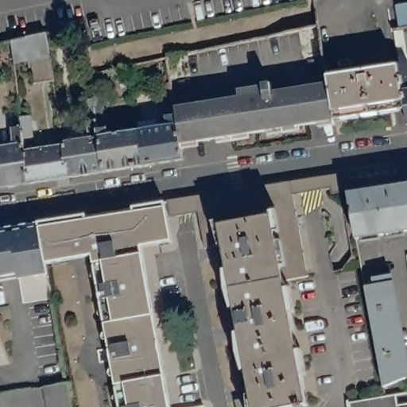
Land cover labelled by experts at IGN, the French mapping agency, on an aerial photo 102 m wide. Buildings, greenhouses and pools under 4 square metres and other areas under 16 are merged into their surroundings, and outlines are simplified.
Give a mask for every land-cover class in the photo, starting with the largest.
<instances>
[{"label":"impervious surface","instance_id":"1","mask_svg":"<svg viewBox=\"0 0 407 407\"><path fill-rule=\"evenodd\" d=\"M297 0H0V41L11 40L40 32L48 33V37L56 35L72 24L81 32L87 30L91 43H100L107 38L124 37L126 32L137 35L151 32L153 29H161L162 24H165V27H172L191 22V29L197 27V22L203 17H213L215 14L223 16V13L243 11V8L251 10L253 6L270 3L280 5ZM307 2L312 3L310 8L315 10L313 24L299 29L270 33L264 37L232 41L221 46L169 52L165 56L167 75L169 78L173 79L170 91L175 95H186L192 102L226 97L235 94L237 87L251 86L262 81H270L272 89L316 83L324 78V72L340 68L382 62H396L397 68L402 65L407 67V24L397 22L396 5L407 3V0H307ZM396 29L404 32L405 46L402 48L394 45ZM390 126L378 135L347 137L342 135L340 127L326 124L324 129L308 127L312 129L310 140L273 143L270 146L242 151H234L232 141H205L199 143L197 148L184 149L183 161L176 164L154 165L151 169L76 178L68 180L65 188L57 181H48L0 191V226L22 221L30 223L35 219L68 213L99 215L108 211L126 210L132 203L200 196L202 192L223 191L237 184L266 188L270 183L321 175H335L339 181L342 176H347L348 180H375L377 176L388 175L393 176L396 181H404L401 176L407 172V124H402L396 119V113L390 114ZM294 219L297 221L304 267L310 270L308 275L302 280L299 289L305 299H308L310 293L316 294V297L308 304L302 305L299 312L294 310V316L299 318L300 323L310 332L308 343L312 347L304 356L305 370L315 366V386L318 390L315 396L312 393L307 394V407H407V391H399L397 385L383 388L380 390V396L362 397L353 401H348V396L343 394L345 390L351 383L367 382L374 378L367 335L362 331V308H345V304L356 300L353 285L356 280L364 285H369L370 277L374 275L388 273L391 269L397 273V280L393 281V285L396 289L402 332L405 334L404 342L407 345V232H391L385 237L367 234L356 240L361 269L358 273L340 272L350 259L347 238L353 235L347 197H339V191L326 192L320 189L294 194ZM323 219H331L334 229L332 232L337 237H343V240L332 246L326 245ZM180 219L176 238V250L165 253L161 248L156 253L157 275L161 280H169L170 285L157 293L154 300V310L157 313L167 312L170 308L184 313L194 308V315L191 316L199 321V335L194 334V337H199V348L202 366L199 372L194 374H180V386L176 388V393L181 396L183 402L172 407H231L234 399L231 391H224L215 347L216 342L226 339V334L223 326L218 331H211L207 305L215 302V293H205L200 270V262L208 258L213 273L219 275L221 253L218 238L211 234L207 237V218L202 207L196 213L175 216ZM76 285L86 329V340L81 345L78 364L95 380V390L99 396L97 407H116L113 383L108 375L107 350L102 339V323L92 281L91 261L89 258L76 259ZM62 294L57 288L49 289L48 275L43 272L25 275L19 277V283L13 280L0 281V393L19 388H40L62 382V375L59 374L60 369L57 366V347H52L51 343L56 340L51 337L54 329L48 318L49 307L60 305Z\"/></svg>","mask_w":407,"mask_h":407},{"label":"building","instance_id":"2","mask_svg":"<svg viewBox=\"0 0 407 407\"><path fill-rule=\"evenodd\" d=\"M397 22L407 24V3L396 5ZM394 45L402 48L405 46L404 32L396 29ZM13 62L21 64L25 62L32 68L33 83L48 81L49 84L54 83V72L49 60L48 37V33L40 32L11 40ZM396 113V119L402 124H407V67L402 65L397 68L396 62H382L340 68L324 72V78L316 83L272 89L270 81H262L251 86L237 87L235 94L226 97L192 102L175 103L172 113L164 114V122L127 129L108 130L105 126H97V119H89V129L79 132V137L65 138L62 143L25 146L24 141L32 138L33 132L38 130L37 121H33L29 116H21L19 119V124L10 129V141L0 143V191L48 181H57L65 188L68 180L76 178L151 169L154 165L176 164L183 161L184 149L197 148L199 143L205 141H232L248 140L251 135L256 134L272 138L299 134L305 132V127H308L324 129L326 124L340 127L343 122L350 119L390 114ZM91 111L102 113L103 110L97 105V99L91 97L86 102ZM404 181H396L393 176L388 175L377 176L375 180H348L347 176H342L339 181L335 175H321L270 183L266 188L237 184L223 191L202 192L200 196L132 203L126 210L108 211L99 215L68 213L35 219L30 223L22 221L0 226V281L13 280L19 283V277L25 275L43 272L48 275L49 264L76 259L89 258L91 261L92 281L102 323V339L107 350L108 375L113 383L116 407H167L164 401L170 397L167 386L169 366L162 355L164 340L157 313L154 310V300L157 293L153 289L151 273L146 266L145 248L169 243L170 238H176L180 219L175 216L196 213L202 207L207 218V237L211 234L218 238L221 253L219 275L224 302L231 310L234 323L232 350L245 382V397L234 399L231 407H307V394H304L307 383L305 370L304 356L312 347L308 343L310 332L300 323L299 318L294 316V293L289 288V281L296 275H308L310 270L304 267L297 221L294 219V194L320 189L326 192L339 191V197H347L353 235L356 240L367 234L385 237L391 232H407V172L401 176ZM397 280V273L391 269L388 273L374 275L370 277L369 285H364L382 383L383 388L397 385L399 391H407V345L404 342L405 334L402 332L396 289L393 285V281ZM0 407H70L67 404L65 383L62 382L40 388H19L0 393Z\"/></svg>","mask_w":407,"mask_h":407},{"label":"herbaceous vegetation","instance_id":"3","mask_svg":"<svg viewBox=\"0 0 407 407\"><path fill-rule=\"evenodd\" d=\"M312 3L307 2L304 6H289L259 16L197 27L191 29L102 49L89 48L87 54L91 64L95 65V73H103L119 64H138V67H145V75H159L161 72L167 75L165 56L169 52L221 46L232 41L264 37L270 33L299 29L313 24L315 10L310 8ZM21 64L13 62L11 40L0 41V143L10 141V129L19 124V119L16 118V114H11L5 119L3 107L8 105V92H17L19 89L16 70ZM27 91L25 100L30 107L29 116L33 121H37L38 130L33 132L32 138L24 141L25 146L62 143L65 138L79 137V132L70 127H52V111H65L76 107L81 87L78 84H70L60 87L59 91L49 92V84L48 81L33 83H29V76H24ZM173 79L169 78L165 79V87L169 91L162 102H148V95L140 94L137 97L138 105L129 107L124 103L122 95V92L126 91V84L119 83L116 86V103L119 107L103 110L102 113L91 111L87 114L89 119H97V126H105L108 130L127 129L164 122V114L172 113L175 103L192 102L186 95H175L170 91ZM161 248L165 253L176 250V238H170L169 243L145 248L146 266L151 273L153 289L157 293L170 285L169 280H161L157 275L156 253ZM200 270L205 293H215V302L207 305L211 331H218L223 326L226 334V339L216 342L215 347L224 391H231L234 399L245 397V382L232 350L234 323L231 310L224 302L219 275L213 273L208 258L200 262ZM76 259L49 264L48 275L49 289L57 288L62 294L60 305V313H65V320L68 323L64 329L65 342L72 366V377L78 391L79 407H97L99 396L95 390V380L78 364L81 345L86 340V329L76 285ZM308 275H296L289 281V288L294 293V310L299 312L302 305L308 304L316 297V294L310 293L308 299H305L299 289L302 280ZM356 300L345 304V308H362V331L367 335L374 378L367 382L351 383L345 390H362L367 386L382 383L364 285L356 280L353 285ZM162 355L169 366L167 386L170 397L164 401L167 407H172L183 402L181 396L176 393V388L180 386V374H194L199 372L202 366L199 348L192 351L194 361L191 362L189 370H181L175 351H170V342L164 340ZM307 383L304 394H307L312 393L315 396L318 390L315 386V366L305 370Z\"/></svg>","mask_w":407,"mask_h":407},{"label":"deciduous trees","instance_id":"4","mask_svg":"<svg viewBox=\"0 0 407 407\"><path fill-rule=\"evenodd\" d=\"M49 60L54 72V83L49 84V92L59 91L60 87L70 84H78L81 87L76 107L65 111H52V127H70L79 132L89 129V119L87 114L91 111L86 102L91 97L97 99V105L103 110L119 107L116 103V86L119 83L126 84V91L122 92V95L124 103L129 107L138 105L137 97L140 94L148 95V102H162L169 91L165 87V79L169 78L167 75L161 72L159 75H145V67H138V64H119L103 73H95V65L91 64L87 54L89 48L91 43L87 30L81 32L72 24L56 35L48 37ZM19 89L17 92H8V105L3 107L5 119L11 114H16V118L19 119L21 116H29L30 107L25 100L27 91L24 76H29V83H33L32 68L25 62L21 64L16 70ZM390 114L350 119L343 122L340 127L342 135L347 137L378 135L390 126ZM194 315V308L184 313L170 308L167 312L157 313L164 340L170 342V351H175L181 370H189L191 362L194 361L192 351L199 348V337H194V334L199 335V321L191 316ZM383 388L382 383L367 386L362 390H345L343 394L348 396V401H353L362 397L380 396V390Z\"/></svg>","mask_w":407,"mask_h":407},{"label":"brushwood","instance_id":"5","mask_svg":"<svg viewBox=\"0 0 407 407\"><path fill-rule=\"evenodd\" d=\"M307 2V0H297L280 5L270 3L253 6L251 10L243 8V11L223 13V16L215 14L213 17H203L197 22V27L259 16L289 6H304ZM191 29V22L172 27H165V24H162L161 29H153L151 32L137 35L126 32L124 37L107 38L100 43H91L89 48L102 49ZM312 129L308 127H305V132L299 134L272 138L256 134L251 135L248 140L232 141L234 151H242L270 146L273 143L310 140ZM326 245L332 246L343 240V237H337L332 232L334 229L331 219H323ZM350 259L340 272L358 273L361 269L356 240L353 235L347 238ZM48 318L54 329L51 337L56 340L51 343L52 347H57V366L60 369L59 374L62 375V382L65 383L67 404L70 407H79L78 391L72 377V366L65 342L64 329L68 323L65 320V313H60V305L49 307Z\"/></svg>","mask_w":407,"mask_h":407}]
</instances>
